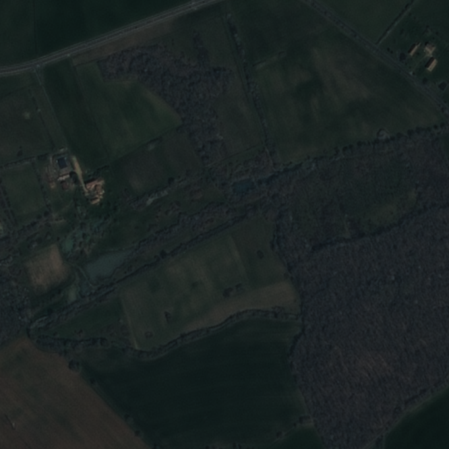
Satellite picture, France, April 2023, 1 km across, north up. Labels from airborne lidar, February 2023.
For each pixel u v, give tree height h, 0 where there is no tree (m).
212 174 6
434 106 0
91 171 0
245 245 0
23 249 0
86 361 0
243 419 0
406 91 0
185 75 9
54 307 0
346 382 22
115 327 0
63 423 0
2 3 0
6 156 0
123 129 0
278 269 0
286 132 0
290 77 0
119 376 0
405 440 0
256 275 0
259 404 0
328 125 0
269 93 0
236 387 0
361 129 0
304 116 0
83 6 0
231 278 0
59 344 13
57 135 0
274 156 15
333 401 22
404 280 21
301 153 0
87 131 0
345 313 23
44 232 0
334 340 25
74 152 0
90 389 0
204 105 20
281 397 0
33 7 0
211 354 0
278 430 0
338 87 0
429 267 20
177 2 0
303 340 18
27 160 7
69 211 0
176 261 0
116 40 0
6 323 22
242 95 0
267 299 0
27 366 0
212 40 0
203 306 0
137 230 0
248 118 0
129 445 0
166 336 0
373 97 0
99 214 0
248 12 0
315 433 0
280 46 0
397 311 22
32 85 0
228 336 0
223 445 0
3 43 0
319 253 22
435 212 24
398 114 0
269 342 0
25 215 0
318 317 20
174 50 0
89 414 0
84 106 0
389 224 0
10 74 0
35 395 0
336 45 0
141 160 0
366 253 21
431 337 22
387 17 0
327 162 7
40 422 0
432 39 0
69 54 0
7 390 0
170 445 0
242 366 0
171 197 0
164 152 0
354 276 22
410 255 19
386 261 24
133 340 0
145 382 0
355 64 0
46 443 0
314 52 0
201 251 0
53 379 0
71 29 0
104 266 0
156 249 0
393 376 21
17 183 0
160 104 0
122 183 0
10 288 24
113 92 0
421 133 19
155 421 0
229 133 0
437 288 20
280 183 23
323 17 0
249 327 0
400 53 0
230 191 17
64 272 0
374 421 19
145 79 13
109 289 7
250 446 0
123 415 0
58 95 0
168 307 0
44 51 0
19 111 0
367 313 20
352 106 0
